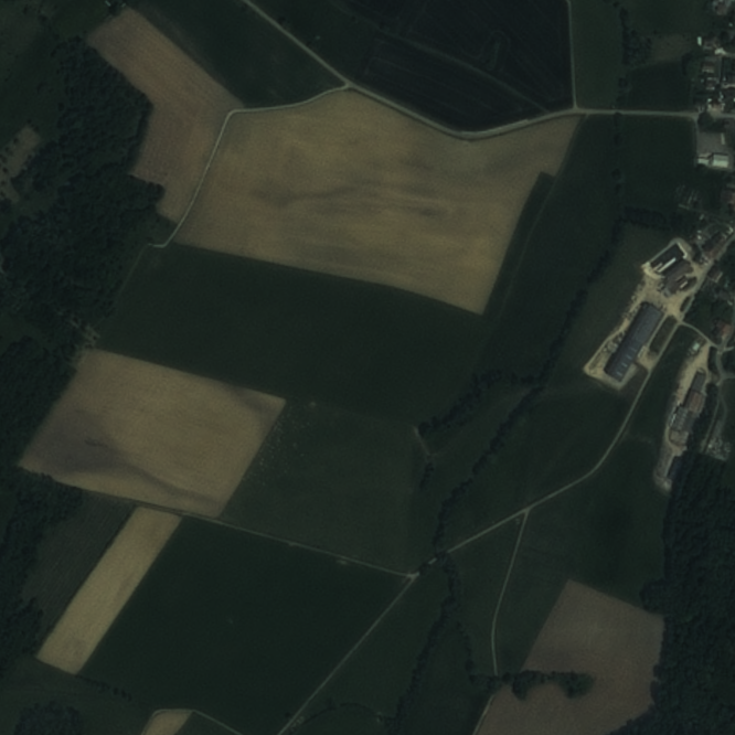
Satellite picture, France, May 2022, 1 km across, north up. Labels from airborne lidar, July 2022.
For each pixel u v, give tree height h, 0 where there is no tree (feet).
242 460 0
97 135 27
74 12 0
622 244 52
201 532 0
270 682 0
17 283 67
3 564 62
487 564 0
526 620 0
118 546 0
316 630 0
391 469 0
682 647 62
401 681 0
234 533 0
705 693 52
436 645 50
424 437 58
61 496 51
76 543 0
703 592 54
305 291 0
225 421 0
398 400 0
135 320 0
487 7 0
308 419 0
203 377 0
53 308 38
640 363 0
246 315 0
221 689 0
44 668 0
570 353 0
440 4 0
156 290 0
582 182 0
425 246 0
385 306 0
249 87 0
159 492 0
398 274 0
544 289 0
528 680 45
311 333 0
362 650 0
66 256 69
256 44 0
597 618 0
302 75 0
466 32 0
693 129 0
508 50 0
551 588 0
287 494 0
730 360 37
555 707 0
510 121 0
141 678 0
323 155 0
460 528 0
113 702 0
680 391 0
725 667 53
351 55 0
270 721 0
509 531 0
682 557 48
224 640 0
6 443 50
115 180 54
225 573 0
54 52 28
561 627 0
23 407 52
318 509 0
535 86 0
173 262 0
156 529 0
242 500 0
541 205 0
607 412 0
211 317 0
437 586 0
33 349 65
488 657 0
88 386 0
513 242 0
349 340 0
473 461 0
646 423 0
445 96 0
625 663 0
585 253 0
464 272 0
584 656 0
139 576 0
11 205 61
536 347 0
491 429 0
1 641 69
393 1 0
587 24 0
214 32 0
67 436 0
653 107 0
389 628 0
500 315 0
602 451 0
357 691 0
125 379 0
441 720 0
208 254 0
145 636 0
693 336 0
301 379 0
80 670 0
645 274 0
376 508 0
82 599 0
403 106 0
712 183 0
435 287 0
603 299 0
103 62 29
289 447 0
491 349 0
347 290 0
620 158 0
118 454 0
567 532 0
